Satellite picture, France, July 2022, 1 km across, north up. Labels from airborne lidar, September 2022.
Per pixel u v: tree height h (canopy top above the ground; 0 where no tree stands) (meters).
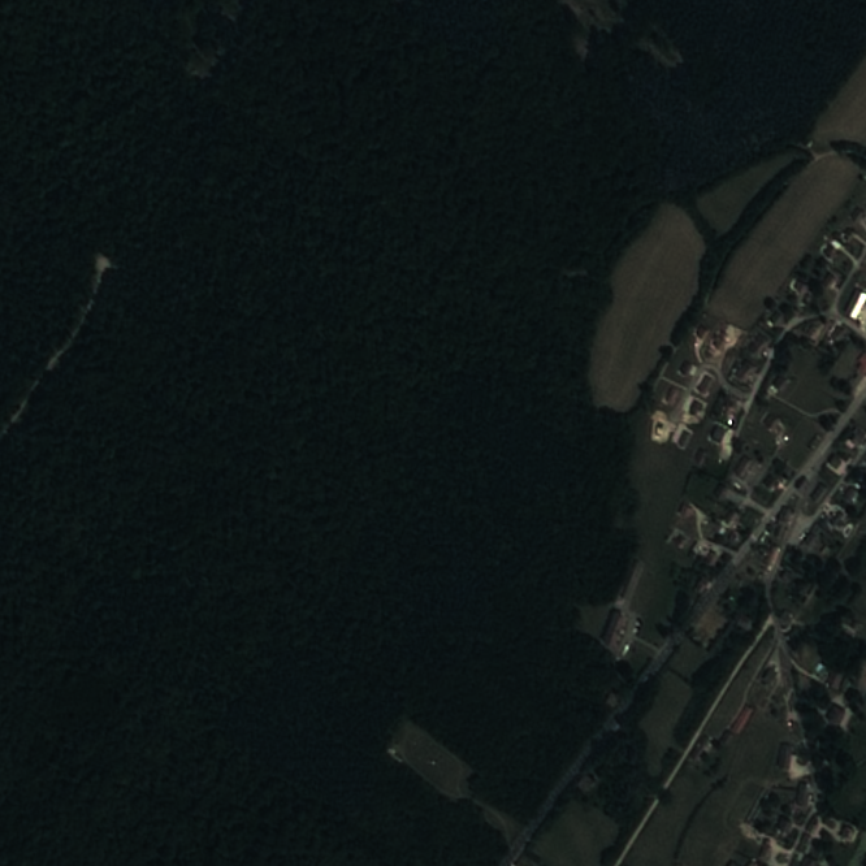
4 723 17
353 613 14
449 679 19
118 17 19
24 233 21
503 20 13
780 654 0
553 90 17
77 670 8
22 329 17
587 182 20
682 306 0
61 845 14
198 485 20
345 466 21
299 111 22
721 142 25
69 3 17
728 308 0
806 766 0
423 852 15
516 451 17
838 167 0
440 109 19
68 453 15
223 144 18
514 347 12
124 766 20
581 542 14
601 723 14
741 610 8
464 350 10
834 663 20
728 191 0
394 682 14
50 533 11
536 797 16
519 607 18
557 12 26
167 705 19
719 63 15
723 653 17
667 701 0
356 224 19
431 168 20
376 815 16
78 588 10
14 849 19
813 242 0
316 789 19
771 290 0
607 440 15
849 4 23
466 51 22
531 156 16
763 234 0
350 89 24
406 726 0
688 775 0
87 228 19
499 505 18
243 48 21
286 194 12
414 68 25
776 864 0
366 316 15
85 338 14
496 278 19
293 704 15
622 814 11
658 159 16
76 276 21
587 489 12
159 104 16
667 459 0
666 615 0
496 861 13
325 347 17
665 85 25
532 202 18
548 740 11
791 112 23
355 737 12
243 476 19
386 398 15
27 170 30
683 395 0
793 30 22
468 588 21
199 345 18
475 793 16
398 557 18
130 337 17
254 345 20
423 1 22
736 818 0
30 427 20
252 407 20
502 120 18
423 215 21
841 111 0
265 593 20
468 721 18
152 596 16
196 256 13
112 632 8
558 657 15
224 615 14
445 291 12
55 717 10
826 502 0
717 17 24
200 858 10
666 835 0
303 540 19
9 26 22
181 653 15
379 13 21
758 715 0
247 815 8
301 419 15
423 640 18
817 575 16
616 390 0
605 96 21
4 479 12
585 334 15
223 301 20
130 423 16
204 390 17
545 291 15
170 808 21
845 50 20
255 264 14
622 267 0
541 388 10
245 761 14
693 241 0
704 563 7
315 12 21
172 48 23
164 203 14
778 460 7
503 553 14
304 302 18
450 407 19
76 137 17
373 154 20
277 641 20
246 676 15
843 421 0
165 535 12
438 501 13
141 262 13
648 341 0
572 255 14
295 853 11
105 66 23
